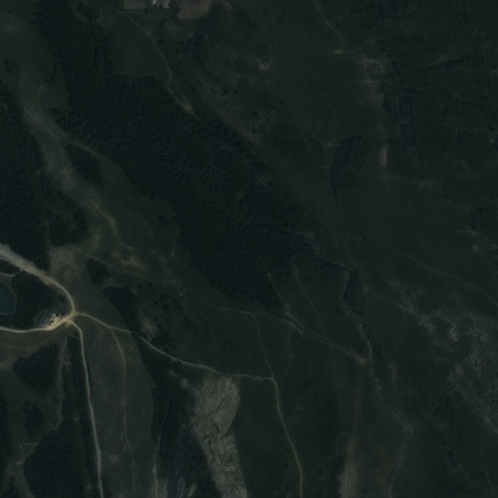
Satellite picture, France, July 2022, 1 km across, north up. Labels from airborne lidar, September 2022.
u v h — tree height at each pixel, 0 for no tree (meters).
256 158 9
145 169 20
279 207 18
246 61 0
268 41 0
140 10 0
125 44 0
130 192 0
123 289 7
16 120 16
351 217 0
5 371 0
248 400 0
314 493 0
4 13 0
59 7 15
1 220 17
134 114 21
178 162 21
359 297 0
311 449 0
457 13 0
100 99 26
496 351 0
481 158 0
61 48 12
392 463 0
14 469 0
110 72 15
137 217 0
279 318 0
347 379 0
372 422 0
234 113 0
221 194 18
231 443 0
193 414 0
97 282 9
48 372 14
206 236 12
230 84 0
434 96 0
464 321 0
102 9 0
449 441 0
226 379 0
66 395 7
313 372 0
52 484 11
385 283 0
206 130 17
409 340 0
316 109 0
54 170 0
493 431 0
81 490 7
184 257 0
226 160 12
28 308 11
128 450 0
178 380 9
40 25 15
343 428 0
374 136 0
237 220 15
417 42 0
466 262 0
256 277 19
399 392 0
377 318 0
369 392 0
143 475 0
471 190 0
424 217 0
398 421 0
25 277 13
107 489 7
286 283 0
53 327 0
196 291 0
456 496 0
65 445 18
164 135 17
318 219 0
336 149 0
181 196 20
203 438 0
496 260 0
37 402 0
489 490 0
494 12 0
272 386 0
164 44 6
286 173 0
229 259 19
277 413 0
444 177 0
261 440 0
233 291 15
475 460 0
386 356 0
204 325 0
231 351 0
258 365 0
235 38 0
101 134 18
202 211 16
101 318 0
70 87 16
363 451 0
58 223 15
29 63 0
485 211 0
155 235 0
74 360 10
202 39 9
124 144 25
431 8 0
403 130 0
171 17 0
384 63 0
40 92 0
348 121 0
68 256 0
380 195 0
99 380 0
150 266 0
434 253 0
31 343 0
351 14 0
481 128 0
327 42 0
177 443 0
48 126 0
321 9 0
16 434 0
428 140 0
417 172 0
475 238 0
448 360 0
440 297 0
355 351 0
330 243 0
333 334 0
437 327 0
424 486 0
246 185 15
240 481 0
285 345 0
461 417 0
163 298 8
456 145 0
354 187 0
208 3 0
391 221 0
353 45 0
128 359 0
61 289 0
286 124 0
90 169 20
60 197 7
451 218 0
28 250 16
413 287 0
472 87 0
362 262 0
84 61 16
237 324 0
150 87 13
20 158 19
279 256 15
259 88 0
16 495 9
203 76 0
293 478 0
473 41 0
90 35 8
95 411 0
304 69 0
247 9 0
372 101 0
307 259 0
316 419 0
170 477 0
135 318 12
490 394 0
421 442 0
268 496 0
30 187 18
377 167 0
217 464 0
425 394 0
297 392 0
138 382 0
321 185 0
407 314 0
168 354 8
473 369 0
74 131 11
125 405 0
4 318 11
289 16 0
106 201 0
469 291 0
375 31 0
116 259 0
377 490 0
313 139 0
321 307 0
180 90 0
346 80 0
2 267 15
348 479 0
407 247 0
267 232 14
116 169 0
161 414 11
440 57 0
